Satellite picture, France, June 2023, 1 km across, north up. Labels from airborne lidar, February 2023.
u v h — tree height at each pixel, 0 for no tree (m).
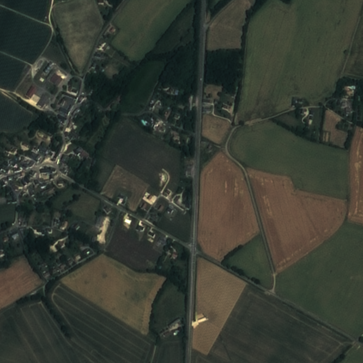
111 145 0
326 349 0
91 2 0
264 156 0
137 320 0
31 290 0
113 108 16
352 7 0
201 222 0
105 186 0
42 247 17
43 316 0
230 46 0
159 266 7
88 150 10
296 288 0
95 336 0
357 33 0
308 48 0
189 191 10
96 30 0
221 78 18
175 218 0
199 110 0
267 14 0
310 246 0
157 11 0
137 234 0
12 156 0
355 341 0
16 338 0
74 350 0
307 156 0
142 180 0
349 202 0
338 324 0
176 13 0
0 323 0
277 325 0
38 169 0
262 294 0
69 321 0
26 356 0
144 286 0
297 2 0
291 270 0
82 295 0
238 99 13
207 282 0
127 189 0
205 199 0
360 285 0
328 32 0
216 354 0
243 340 0
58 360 0
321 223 0
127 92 13
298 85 0
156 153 0
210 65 13
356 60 0
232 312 0
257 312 0
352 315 0
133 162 0
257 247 0
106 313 0
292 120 0
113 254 0
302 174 0
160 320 0
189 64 6
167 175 0
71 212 13
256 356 0
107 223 0
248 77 0
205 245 0
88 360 0
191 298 0
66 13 0
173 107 7
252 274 0
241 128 0
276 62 0
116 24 0
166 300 0
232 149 0
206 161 0
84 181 0
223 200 0
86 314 0
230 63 20
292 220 0
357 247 0
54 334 0
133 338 0
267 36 0
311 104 0
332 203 0
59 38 11
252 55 0
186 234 0
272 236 0
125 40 0
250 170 0
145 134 0
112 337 0
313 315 0
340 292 0
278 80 0
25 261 0
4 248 6
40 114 9
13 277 0
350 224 0
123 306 0
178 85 11
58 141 14
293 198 0
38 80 0
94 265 0
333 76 0
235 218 0
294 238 0
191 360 0
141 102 0
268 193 0
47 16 0
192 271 0
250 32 0
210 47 0
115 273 0
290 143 0
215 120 0
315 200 0
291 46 0
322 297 0
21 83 0
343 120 6
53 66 0
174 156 0
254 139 0
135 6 0
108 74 0
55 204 0
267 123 0
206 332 0
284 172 0
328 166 0
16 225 0
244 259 0
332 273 0
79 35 0
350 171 0
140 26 0
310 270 0
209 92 0
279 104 0
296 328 0
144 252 0
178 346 0
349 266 0
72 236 13
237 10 0
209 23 0
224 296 0
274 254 0
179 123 9
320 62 0
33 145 13
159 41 10
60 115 0
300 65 0
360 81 12
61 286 0
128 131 0
